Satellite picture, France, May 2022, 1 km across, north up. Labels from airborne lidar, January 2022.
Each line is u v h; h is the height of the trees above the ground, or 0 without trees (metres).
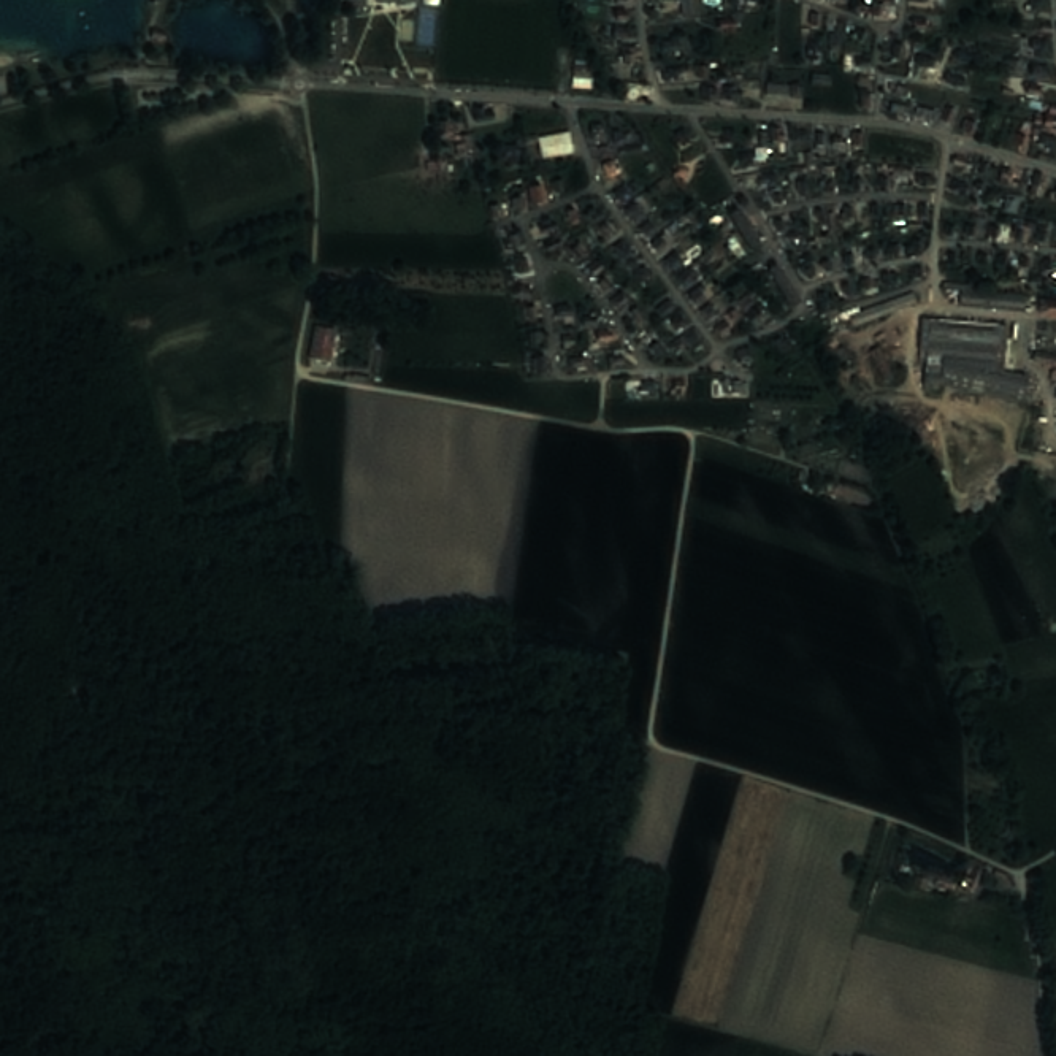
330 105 0
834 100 0
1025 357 0
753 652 0
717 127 0
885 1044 0
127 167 0
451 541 0
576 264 0
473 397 0
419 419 0
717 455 0
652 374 0
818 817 0
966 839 0
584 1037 22
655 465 0
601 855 25
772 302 12
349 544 0
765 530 0
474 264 0
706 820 0
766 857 0
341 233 0
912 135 0
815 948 0
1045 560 0
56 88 13
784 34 0
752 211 0
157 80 0
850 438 14
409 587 0
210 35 0
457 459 0
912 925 0
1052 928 14
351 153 0
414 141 0
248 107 0
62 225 0
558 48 0
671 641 0
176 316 0
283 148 0
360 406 0
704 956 0
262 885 17
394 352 0
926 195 0
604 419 0
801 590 0
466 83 0
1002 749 9
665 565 0
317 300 23
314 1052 18
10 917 18
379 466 0
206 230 0
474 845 0
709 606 0
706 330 0
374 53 0
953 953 0
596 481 0
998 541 0
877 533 0
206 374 0
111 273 7
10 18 0
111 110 0
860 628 0
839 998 0
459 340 0
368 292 27
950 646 16
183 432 0
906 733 0
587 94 0
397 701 19
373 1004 15
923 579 14
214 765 23
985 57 9
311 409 0
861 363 0
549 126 0
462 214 0
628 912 22
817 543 0
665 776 0
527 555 0
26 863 20
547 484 0
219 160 0
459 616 25
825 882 0
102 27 0
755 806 0
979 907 0
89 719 19
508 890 15
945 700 0
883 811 0
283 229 15
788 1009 0
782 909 0
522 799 0
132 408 14
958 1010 0
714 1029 0
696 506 0
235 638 10
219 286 0
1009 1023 0
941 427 0
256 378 0
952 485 0
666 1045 0
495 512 0
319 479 0
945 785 0
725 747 0
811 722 0
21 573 11
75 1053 19
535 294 0
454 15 0
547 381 0
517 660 22
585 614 0
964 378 0
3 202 0
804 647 0
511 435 0
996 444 0
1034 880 14
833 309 0
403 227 0
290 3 0
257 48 0
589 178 0
